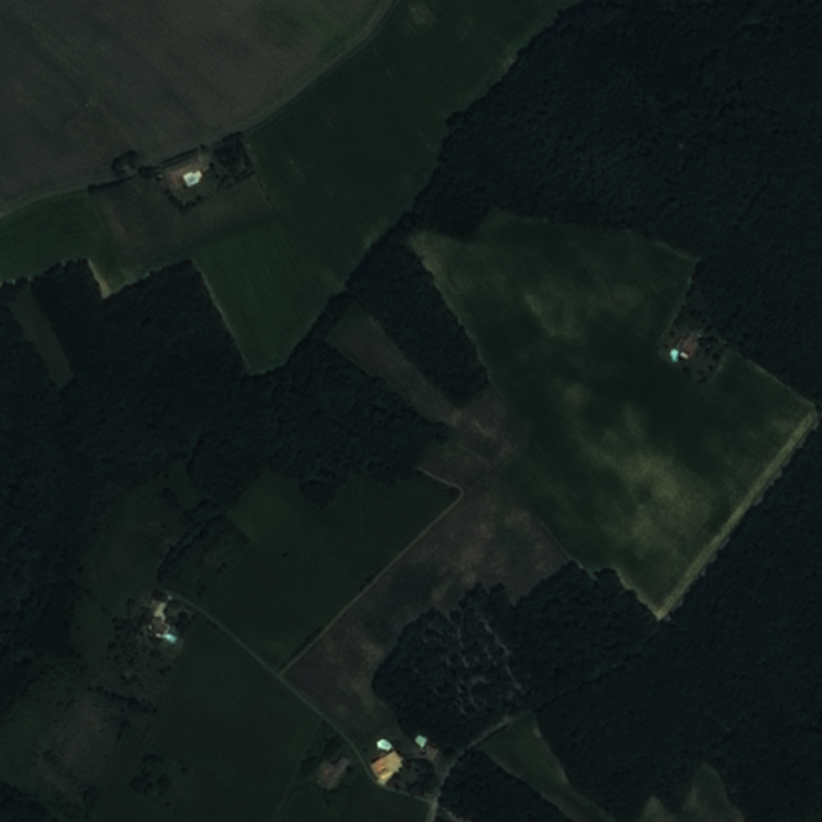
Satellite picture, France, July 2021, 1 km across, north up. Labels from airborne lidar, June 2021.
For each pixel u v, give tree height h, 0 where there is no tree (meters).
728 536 0
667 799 21
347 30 0
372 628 0
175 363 20
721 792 0
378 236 0
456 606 0
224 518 19
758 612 20
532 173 10
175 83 0
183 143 0
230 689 0
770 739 16
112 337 21
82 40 0
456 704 20
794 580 16
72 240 0
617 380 0
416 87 0
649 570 0
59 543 20
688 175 17
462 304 0
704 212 18
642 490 0
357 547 0
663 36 24
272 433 23
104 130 0
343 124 0
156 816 0
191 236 0
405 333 22
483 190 21
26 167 0
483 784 24
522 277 0
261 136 0
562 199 13
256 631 0
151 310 13
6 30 0
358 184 0
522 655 22
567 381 0
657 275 0
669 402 0
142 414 15
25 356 25
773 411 0
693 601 18
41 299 13
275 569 0
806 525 9
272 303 0
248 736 0
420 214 14
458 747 13
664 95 12
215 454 15
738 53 22
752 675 15
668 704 22
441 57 0
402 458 23
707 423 0
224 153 6
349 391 26
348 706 0
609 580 21
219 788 0
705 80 20
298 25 0
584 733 16
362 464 19
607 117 19
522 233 0
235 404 22
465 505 0
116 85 0
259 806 0
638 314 0
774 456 0
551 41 24
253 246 0
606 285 0
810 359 15
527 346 0
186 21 0
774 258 16
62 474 27
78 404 21
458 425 0
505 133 22
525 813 24
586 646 16
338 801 0
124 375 18
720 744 22
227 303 0
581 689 20
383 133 0
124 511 0
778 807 24
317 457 22
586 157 16
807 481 13
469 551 0
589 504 0
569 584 21
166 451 20
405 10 0
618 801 26
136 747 0
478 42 0
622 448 0
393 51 0
